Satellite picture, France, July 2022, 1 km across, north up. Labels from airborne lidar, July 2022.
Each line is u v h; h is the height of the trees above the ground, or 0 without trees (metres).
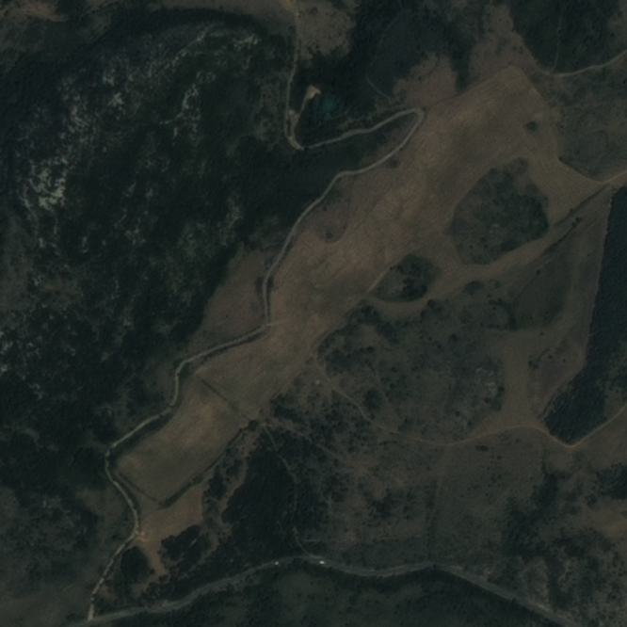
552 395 0
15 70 6
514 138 0
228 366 0
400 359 0
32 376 6
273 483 12
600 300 8
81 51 8
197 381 0
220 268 10
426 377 0
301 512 6
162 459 0
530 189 0
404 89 0
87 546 8
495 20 0
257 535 10
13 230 0
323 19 0
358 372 0
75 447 9
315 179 0
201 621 6
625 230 11
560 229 0
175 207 8
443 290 0
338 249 0
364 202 0
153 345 7
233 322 0
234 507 8
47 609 0
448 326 0
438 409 0
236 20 9
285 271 0
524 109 0
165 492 0
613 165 0
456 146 0
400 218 0
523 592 0
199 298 9
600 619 0
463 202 0
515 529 7
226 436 0
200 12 8
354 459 0
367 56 11
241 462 6
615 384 8
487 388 0
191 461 0
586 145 0
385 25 8
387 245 0
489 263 0
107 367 6
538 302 0
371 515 6
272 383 0
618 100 0
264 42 6
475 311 0
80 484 0
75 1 8
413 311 0
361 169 0
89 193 6
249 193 12
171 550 7
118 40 9
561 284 0
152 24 9
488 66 0
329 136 7
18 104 8
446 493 0
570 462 0
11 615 0
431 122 0
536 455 0
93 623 0
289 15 0
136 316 13
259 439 6
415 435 0
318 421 5
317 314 0
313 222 0
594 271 0
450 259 0
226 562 6
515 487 0
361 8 11
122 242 6
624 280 7
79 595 0
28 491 6
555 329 0
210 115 11
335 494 7
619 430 0
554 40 8
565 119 0
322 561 0
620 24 0
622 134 0
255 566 11
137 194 6
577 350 0
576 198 0
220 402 0
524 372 0
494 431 0
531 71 0
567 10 6
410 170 0
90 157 0
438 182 0
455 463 0
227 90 7
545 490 6
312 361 0
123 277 8
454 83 0
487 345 0
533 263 0
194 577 9
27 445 6
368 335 0
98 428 8
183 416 0
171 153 8
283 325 0
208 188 6
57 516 7
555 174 0
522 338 0
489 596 8
